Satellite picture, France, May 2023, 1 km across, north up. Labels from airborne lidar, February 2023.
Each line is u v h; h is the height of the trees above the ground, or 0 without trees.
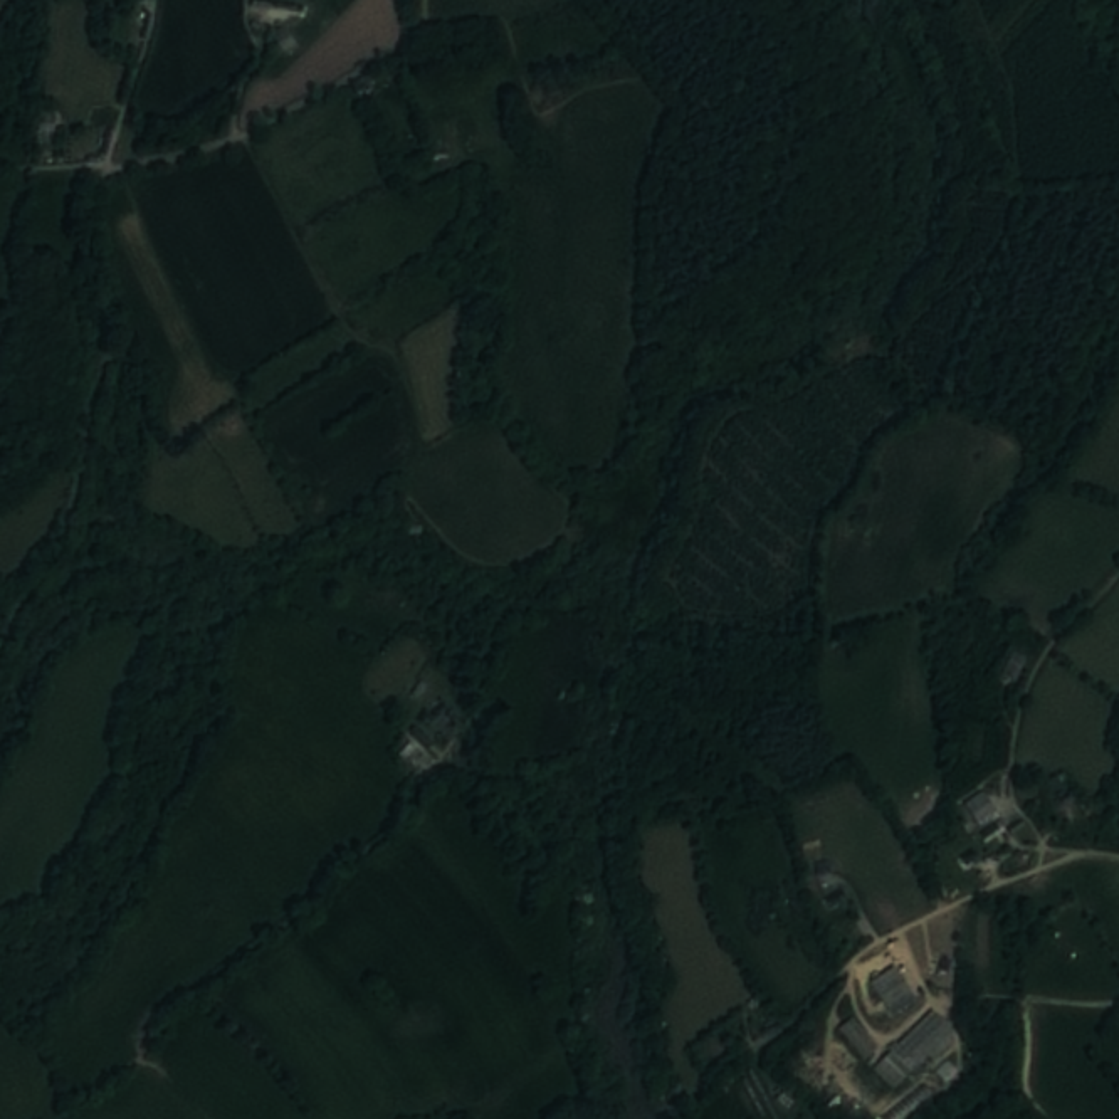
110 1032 0
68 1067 0
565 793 8
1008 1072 11
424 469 0
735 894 0
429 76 18
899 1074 0
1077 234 24
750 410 21
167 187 0
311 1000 0
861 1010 0
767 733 24
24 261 22
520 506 0
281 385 0
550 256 0
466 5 0
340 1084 0
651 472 7
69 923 10
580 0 13
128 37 0
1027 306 21
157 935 0
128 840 12
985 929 0
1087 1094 0
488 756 20
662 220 17
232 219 0
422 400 0
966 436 0
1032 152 8
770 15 17
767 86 12
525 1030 0
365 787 0
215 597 6
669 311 21
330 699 0
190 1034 0
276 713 0
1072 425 10
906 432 16
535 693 0
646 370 25
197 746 18
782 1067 7
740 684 19
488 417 18
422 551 14
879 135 23
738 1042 11
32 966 6
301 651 0
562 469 9
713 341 26
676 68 15
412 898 0
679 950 0
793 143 22
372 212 0
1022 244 9
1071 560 0
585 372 0
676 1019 0
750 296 22
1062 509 0
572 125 0
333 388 0
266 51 8
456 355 11
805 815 0
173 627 15
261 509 0
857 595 0
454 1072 0
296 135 0
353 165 0
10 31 18
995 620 14
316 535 16
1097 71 18
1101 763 0
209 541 11
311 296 0
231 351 0
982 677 8
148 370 10
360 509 15
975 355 16
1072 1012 0
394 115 0
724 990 0
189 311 0
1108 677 0
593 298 0
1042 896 0
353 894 0
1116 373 16
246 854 0
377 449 0
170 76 0
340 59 0
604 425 0
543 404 0
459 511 0
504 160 0
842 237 21
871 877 0
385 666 0
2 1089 0
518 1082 0
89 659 0
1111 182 16
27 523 0
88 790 0
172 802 15
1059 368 21
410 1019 0
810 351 6
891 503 0
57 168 0
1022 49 6
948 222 27
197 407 0
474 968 0
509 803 6
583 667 0
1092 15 10
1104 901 0
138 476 6
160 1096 0
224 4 0
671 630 14
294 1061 0
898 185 8
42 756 0
